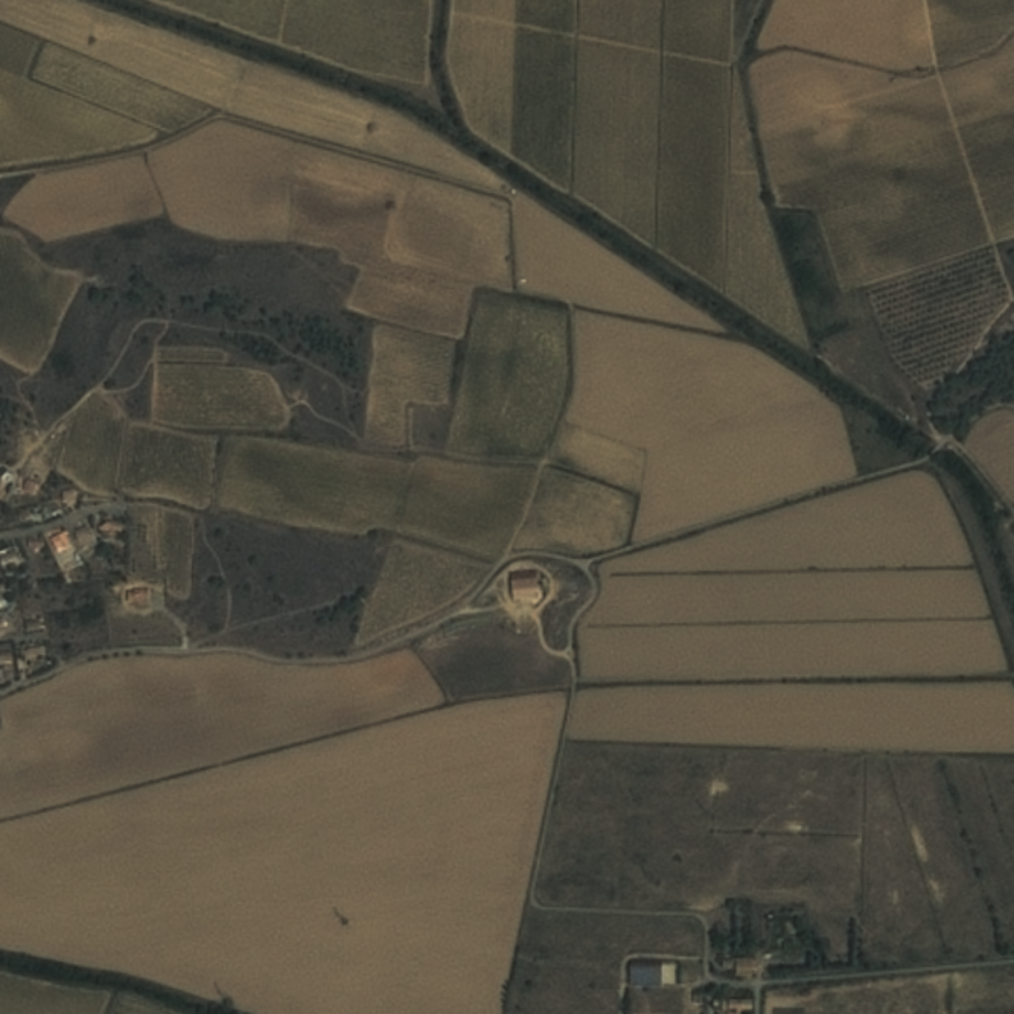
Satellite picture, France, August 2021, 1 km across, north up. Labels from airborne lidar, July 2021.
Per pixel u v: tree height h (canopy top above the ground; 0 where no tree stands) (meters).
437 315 0
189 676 0
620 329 0
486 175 0
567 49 0
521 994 0
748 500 0
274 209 0
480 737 0
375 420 0
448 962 0
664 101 0
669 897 0
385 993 0
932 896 0
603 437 0
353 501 0
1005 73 0
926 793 0
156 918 0
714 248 0
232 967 0
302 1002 0
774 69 0
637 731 0
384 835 0
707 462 0
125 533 8
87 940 0
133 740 0
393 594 0
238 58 0
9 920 0
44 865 0
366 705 0
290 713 0
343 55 0
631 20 0
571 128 0
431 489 0
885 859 0
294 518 0
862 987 0
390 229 0
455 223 0
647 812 0
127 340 0
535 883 0
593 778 0
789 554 0
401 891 0
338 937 0
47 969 9
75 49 0
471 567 0
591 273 0
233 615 0
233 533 0
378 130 0
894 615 0
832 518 0
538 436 0
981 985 0
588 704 0
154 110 0
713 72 0
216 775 0
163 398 0
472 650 0
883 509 0
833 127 0
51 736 0
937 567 0
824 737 0
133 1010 0
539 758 0
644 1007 0
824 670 0
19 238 0
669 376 0
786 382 0
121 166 0
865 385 0
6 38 0
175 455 0
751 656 0
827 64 0
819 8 0
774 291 0
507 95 0
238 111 0
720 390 0
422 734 0
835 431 0
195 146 0
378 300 0
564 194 0
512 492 0
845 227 0
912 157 0
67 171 0
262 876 0
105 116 0
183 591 0
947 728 0
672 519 0
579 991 0
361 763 0
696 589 0
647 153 0
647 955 0
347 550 0
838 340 0
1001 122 0
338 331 7
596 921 0
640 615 0
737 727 0
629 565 0
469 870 0
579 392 0
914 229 0
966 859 0
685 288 16
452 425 0
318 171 0
